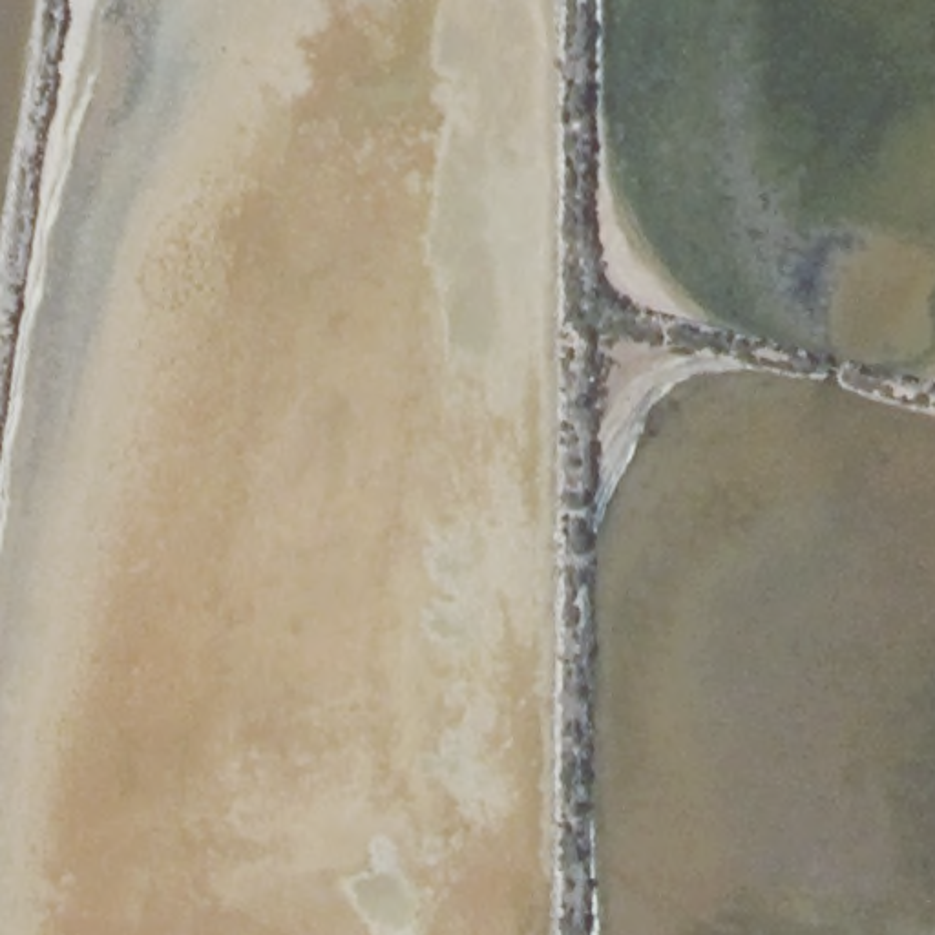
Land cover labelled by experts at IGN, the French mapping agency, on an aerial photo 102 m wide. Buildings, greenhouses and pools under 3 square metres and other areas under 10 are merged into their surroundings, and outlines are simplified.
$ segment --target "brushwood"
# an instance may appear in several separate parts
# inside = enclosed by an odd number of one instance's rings
[[[570,541],[570,548],[584,555],[584,566],[566,570],[566,636],[581,650],[566,654],[562,665],[562,935],[603,935],[603,906],[614,895],[606,877],[614,869],[614,858],[610,840],[599,840],[588,818],[599,804],[595,760],[603,552],[595,548],[595,530],[592,522],[577,519],[577,537]]]
[[[562,383],[570,398],[562,420],[566,504],[595,508],[599,497],[599,431],[606,416],[606,376],[614,343],[632,340],[661,347],[668,354],[738,354],[738,369],[782,380],[825,380],[825,369],[811,369],[807,351],[774,351],[756,332],[745,332],[738,321],[709,318],[709,310],[694,303],[679,321],[676,314],[632,303],[625,292],[610,285],[599,237],[599,153],[610,153],[603,0],[566,0],[566,58],[555,62],[555,69],[566,80],[566,194],[566,318],[584,336],[581,351],[562,351]]]
[[[47,135],[58,110],[66,37],[73,22],[69,0],[47,0],[40,69],[44,113],[33,124],[33,153],[18,183],[7,259],[11,314],[0,354],[0,453],[11,409],[18,329],[26,314],[33,234],[40,219]]]
[[[902,413],[935,416],[935,369],[928,369],[917,383],[902,383],[858,376],[855,365],[836,365],[840,391],[869,398],[877,405],[895,405]]]

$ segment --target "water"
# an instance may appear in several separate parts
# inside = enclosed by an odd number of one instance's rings
[[[245,194],[223,201],[219,223],[205,230],[201,245],[190,245],[190,237],[175,237],[175,248],[183,256],[183,292],[172,292],[172,314],[179,329],[190,329],[190,336],[197,336],[197,347],[183,351],[186,365],[197,369],[197,383],[190,394],[183,394],[179,402],[164,402],[153,413],[161,460],[150,471],[150,500],[121,500],[124,544],[113,548],[117,573],[110,577],[110,588],[95,592],[95,650],[88,657],[91,687],[80,712],[84,730],[58,760],[58,800],[47,814],[55,855],[44,862],[44,877],[55,891],[66,895],[47,902],[47,920],[40,924],[40,935],[548,935],[552,880],[541,869],[544,734],[541,698],[533,687],[541,650],[526,643],[533,636],[533,625],[544,617],[544,581],[552,570],[544,552],[552,526],[526,526],[519,460],[526,449],[526,358],[544,351],[548,336],[544,289],[555,270],[548,263],[548,241],[559,230],[559,223],[552,219],[552,201],[566,194],[566,80],[555,69],[555,62],[566,58],[566,0],[391,0],[391,11],[354,7],[343,18],[332,18],[314,37],[299,40],[303,62],[310,69],[307,95],[267,113],[256,153],[245,164],[237,164],[248,175]]]
[[[11,146],[18,131],[33,0],[0,0],[0,215]]]
[[[807,351],[811,369],[825,369],[825,380],[782,380],[738,369],[690,376],[676,383],[657,405],[650,405],[636,442],[636,457],[625,468],[606,504],[606,519],[595,530],[595,548],[603,552],[595,760],[599,804],[588,818],[599,840],[610,840],[614,858],[614,869],[606,877],[614,895],[603,906],[603,935],[935,935],[935,416],[902,413],[895,405],[877,405],[869,398],[840,391],[836,365],[855,365],[858,376],[902,383],[917,383],[928,369],[935,369],[935,0],[603,0],[610,153],[617,205],[636,219],[636,234],[654,252],[661,274],[694,303],[709,310],[709,318],[738,321],[745,332],[756,332],[774,351]]]
[[[15,654],[26,650],[26,617],[33,610],[29,570],[40,555],[40,533],[47,522],[44,489],[51,475],[62,475],[66,464],[88,354],[106,318],[106,292],[117,248],[124,241],[128,212],[139,201],[139,194],[157,179],[157,153],[183,113],[183,80],[197,77],[194,58],[175,62],[153,47],[161,26],[161,0],[95,0],[84,58],[77,66],[73,84],[73,110],[80,110],[84,121],[73,142],[58,219],[47,241],[44,296],[29,340],[26,402],[15,438],[11,508],[0,555],[0,690]]]

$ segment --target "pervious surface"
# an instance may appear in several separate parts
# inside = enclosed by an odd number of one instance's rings
[[[11,146],[0,215],[0,354],[11,314],[7,259],[18,183],[33,153],[33,124],[44,113],[40,69],[47,0],[33,0],[18,131]]]
[[[183,113],[157,153],[157,179],[139,194],[139,201],[128,212],[124,241],[117,248],[106,292],[106,318],[88,354],[66,464],[62,475],[51,475],[44,489],[47,522],[40,533],[40,555],[29,570],[33,610],[26,617],[26,650],[15,654],[0,690],[0,935],[40,935],[40,924],[47,920],[47,902],[66,895],[55,891],[44,877],[44,862],[55,855],[47,814],[58,800],[58,760],[84,730],[80,712],[91,687],[88,657],[95,650],[95,592],[110,588],[110,577],[117,573],[113,548],[124,544],[121,500],[150,500],[150,471],[161,460],[153,413],[164,402],[179,402],[183,394],[190,394],[197,383],[197,369],[186,365],[183,351],[197,347],[197,336],[190,336],[190,329],[179,329],[172,314],[172,292],[183,292],[183,256],[175,248],[175,237],[190,237],[190,245],[201,245],[205,230],[219,223],[223,201],[245,194],[248,175],[237,164],[245,164],[256,153],[267,113],[307,95],[310,69],[303,62],[299,40],[314,37],[332,18],[343,18],[354,7],[391,11],[391,0],[161,0],[161,26],[153,47],[175,62],[194,58],[197,77],[183,80]]]
[[[566,318],[566,194],[552,201],[552,219],[559,223],[559,230],[548,241],[548,263],[555,270],[544,289],[548,336],[544,351],[526,358],[526,449],[519,460],[526,526],[552,526],[544,552],[552,570],[544,581],[544,617],[533,625],[533,636],[526,643],[541,650],[533,687],[541,698],[544,734],[541,869],[552,880],[548,935],[562,935],[562,665],[566,654],[581,650],[566,636],[566,570],[584,566],[584,555],[570,548],[570,541],[577,537],[577,519],[592,522],[595,530],[606,519],[606,504],[625,468],[636,457],[636,442],[650,405],[657,405],[676,383],[690,376],[738,369],[738,354],[668,354],[661,347],[632,340],[614,343],[606,376],[606,416],[599,431],[599,497],[595,508],[566,504],[562,420],[570,398],[562,383],[562,351],[581,351],[584,336]]]
[[[26,402],[29,340],[44,296],[47,241],[58,219],[73,142],[84,121],[80,110],[73,110],[73,84],[77,66],[84,58],[95,0],[69,0],[73,22],[66,37],[58,110],[47,135],[40,219],[33,234],[26,314],[18,329],[11,409],[0,453],[0,555],[11,508],[15,438]]]
[[[679,321],[694,303],[661,274],[654,252],[636,234],[636,219],[617,205],[610,153],[599,153],[599,237],[610,285],[625,292],[632,303],[676,314]]]

